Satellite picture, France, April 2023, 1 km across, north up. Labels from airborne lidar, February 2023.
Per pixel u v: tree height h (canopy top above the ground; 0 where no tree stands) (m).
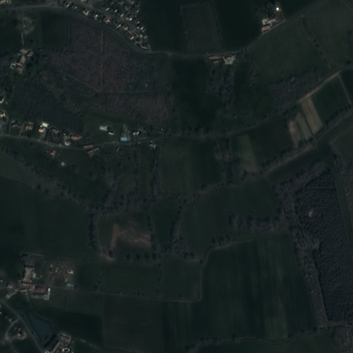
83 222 0
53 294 0
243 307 0
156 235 0
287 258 0
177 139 0
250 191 0
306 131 0
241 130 0
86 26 7
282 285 0
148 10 0
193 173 0
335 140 0
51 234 0
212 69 0
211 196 0
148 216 0
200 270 0
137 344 0
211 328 0
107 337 0
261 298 0
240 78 0
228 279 0
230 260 0
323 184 10
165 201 0
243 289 0
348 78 0
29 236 0
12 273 0
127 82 6
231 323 0
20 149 0
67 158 0
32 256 0
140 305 0
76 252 0
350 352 8
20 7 0
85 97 0
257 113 0
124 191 0
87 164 0
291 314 0
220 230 0
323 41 0
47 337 10
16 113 0
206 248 0
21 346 0
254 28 0
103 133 0
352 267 12
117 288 0
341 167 19
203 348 0
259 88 0
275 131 0
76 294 0
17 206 0
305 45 0
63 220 0
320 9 0
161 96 8
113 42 9
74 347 0
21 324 0
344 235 13
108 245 0
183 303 0
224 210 0
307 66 0
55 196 0
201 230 0
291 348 0
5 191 0
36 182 0
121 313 0
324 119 0
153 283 0
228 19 0
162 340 0
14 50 0
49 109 11
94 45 10
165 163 0
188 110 0
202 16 0
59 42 0
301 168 0
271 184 0
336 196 14
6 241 0
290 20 0
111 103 7
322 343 0
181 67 0
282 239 0
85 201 22
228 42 0
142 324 0
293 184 18
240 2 0
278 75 0
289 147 0
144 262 16
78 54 9
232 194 0
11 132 0
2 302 0
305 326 0
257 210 0
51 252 0
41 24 0
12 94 18
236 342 18
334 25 0
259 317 0
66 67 8
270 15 10
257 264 0
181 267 0
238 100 0
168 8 0
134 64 7
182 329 0
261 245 0
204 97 0
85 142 8
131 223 0
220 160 11
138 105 5
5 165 0
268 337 0
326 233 10
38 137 0
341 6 0
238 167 0
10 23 0
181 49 0
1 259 0
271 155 0
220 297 0
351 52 0
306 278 8
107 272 0
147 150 0
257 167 0
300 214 9
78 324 0
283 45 0
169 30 0
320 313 13
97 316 0
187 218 0
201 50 0
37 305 0
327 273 16
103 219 0
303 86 17
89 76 10
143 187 0
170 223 0
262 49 0
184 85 0
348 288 13
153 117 7
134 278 0
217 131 0
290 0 0
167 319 0
